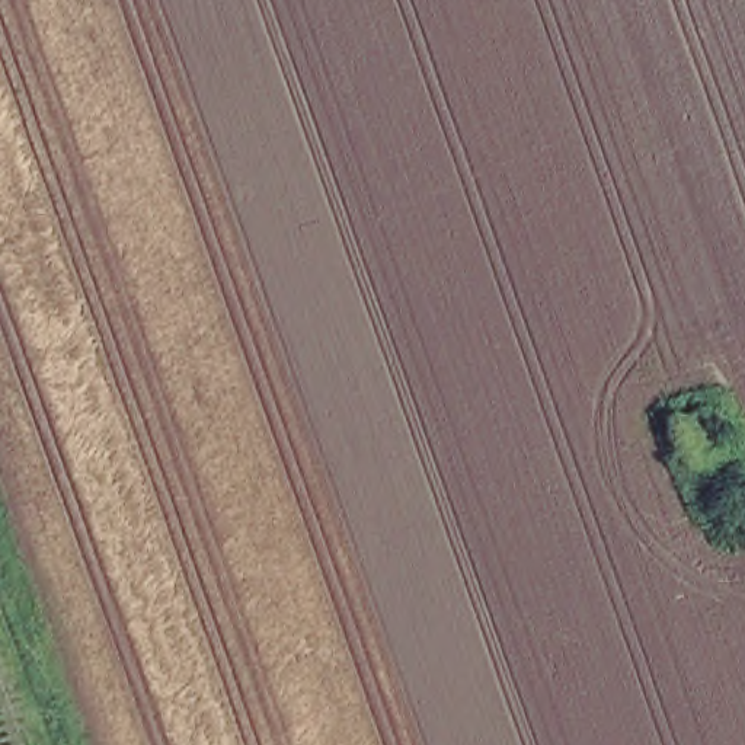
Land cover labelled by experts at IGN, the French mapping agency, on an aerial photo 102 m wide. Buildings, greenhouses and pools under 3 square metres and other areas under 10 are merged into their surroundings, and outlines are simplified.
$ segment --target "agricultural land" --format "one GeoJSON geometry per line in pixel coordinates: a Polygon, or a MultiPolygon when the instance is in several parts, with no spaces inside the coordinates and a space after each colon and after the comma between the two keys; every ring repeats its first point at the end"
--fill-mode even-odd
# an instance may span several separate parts
{"type": "Polygon", "coordinates": [[[655,439],[649,431],[646,407],[669,390],[716,381],[730,387],[736,405],[745,413],[745,0],[0,0],[0,538],[9,530],[15,535],[15,544],[20,550],[23,567],[35,591],[35,602],[44,614],[44,629],[55,652],[55,664],[70,687],[87,745],[745,745],[745,550],[719,550],[690,524],[669,483],[669,471],[655,460],[655,439]]]}

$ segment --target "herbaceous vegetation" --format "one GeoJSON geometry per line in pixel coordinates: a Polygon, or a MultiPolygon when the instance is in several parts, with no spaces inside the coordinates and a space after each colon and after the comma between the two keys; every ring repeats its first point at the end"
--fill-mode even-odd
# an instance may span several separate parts
{"type": "Polygon", "coordinates": [[[0,745],[87,745],[70,687],[55,664],[55,652],[44,629],[44,614],[35,602],[35,591],[23,567],[20,550],[15,544],[15,535],[9,530],[0,538],[0,745]]]}
{"type": "Polygon", "coordinates": [[[710,509],[704,512],[698,509],[696,489],[701,471],[696,471],[687,463],[684,451],[675,445],[669,434],[669,419],[690,413],[696,422],[719,416],[730,422],[728,434],[722,437],[722,445],[710,445],[704,451],[704,466],[716,471],[722,463],[736,460],[739,474],[745,474],[745,413],[736,405],[730,387],[716,381],[669,390],[646,407],[649,431],[655,439],[655,460],[669,471],[669,483],[690,524],[719,550],[745,550],[745,527],[728,533],[722,509],[716,503],[710,503],[710,509]]]}

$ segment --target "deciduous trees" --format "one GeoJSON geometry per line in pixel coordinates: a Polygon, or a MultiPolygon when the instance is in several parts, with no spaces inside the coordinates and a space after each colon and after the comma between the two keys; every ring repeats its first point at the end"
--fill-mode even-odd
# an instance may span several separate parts
{"type": "Polygon", "coordinates": [[[736,460],[722,463],[716,471],[704,466],[704,451],[710,445],[722,445],[722,437],[728,434],[730,422],[719,416],[696,422],[690,413],[669,419],[669,434],[675,445],[684,451],[687,463],[696,471],[701,471],[696,489],[698,509],[704,512],[710,509],[710,503],[716,503],[722,509],[728,533],[745,527],[745,474],[739,474],[736,460]]]}

